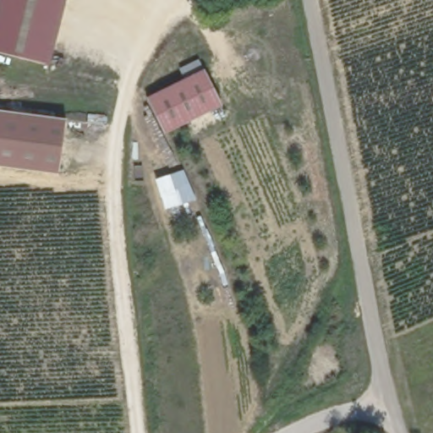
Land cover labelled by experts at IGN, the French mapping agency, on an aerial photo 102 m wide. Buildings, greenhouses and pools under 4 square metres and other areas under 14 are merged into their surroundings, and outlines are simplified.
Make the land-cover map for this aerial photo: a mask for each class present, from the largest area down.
<instances>
[{"label":"vineyard","instance_id":"1","mask_svg":"<svg viewBox=\"0 0 433 433\"><path fill-rule=\"evenodd\" d=\"M325 30L326 51L330 56L333 83L342 117L348 161L352 167L355 195L359 201L375 304L379 311L382 338L386 345L391 338L404 337L433 323V0H318ZM0 433H132L120 354L105 201H100L95 189L54 191L52 188H34L29 184L0 183Z\"/></svg>","mask_w":433,"mask_h":433},{"label":"herbaceous vegetation","instance_id":"2","mask_svg":"<svg viewBox=\"0 0 433 433\"><path fill-rule=\"evenodd\" d=\"M230 24L225 25L222 30L227 36L228 44L244 61V66L235 71V78L216 79L213 76V52L203 34H196L193 30L195 24L184 17L174 25L171 32L162 37L156 51L142 69L135 88V110L127 115L123 132V233L129 266L130 293L134 306L135 338L139 348L144 433H206L201 406L200 365L196 357V340L191 318L220 316L222 325H233L237 328L242 348H249V332L238 315L232 282L255 281L254 272L247 266L249 249L237 230L232 238H225V233H216L213 237L216 254L222 260L223 269L228 277V284H222L218 271L213 266L206 240L200 233L189 242H176L171 227V216L178 213L179 206L164 208L157 191V179L183 171L196 196L195 201H191L186 210V213L198 210L201 216L205 220L208 216L206 184H218L215 176L210 173V164L205 156L195 162L188 154H176V151L169 149L164 139V135L167 134L166 130L162 129L159 117L152 118L149 112L151 95L193 74L205 71L213 90L220 98L222 107H218V113H205L189 125L193 135L200 132L208 123L227 117L228 113L235 115V123L245 125H249V120H254L259 115H266L269 122L266 137L269 142L279 137L277 125H284V130L293 134L294 127L301 125L304 110L299 88L306 83L310 88L316 132L320 137L321 161L325 169L328 195L332 200L338 244L348 238L342 195L338 188L332 145L326 129L325 110L316 76L315 58L311 51L303 0H281L279 7L271 10H262L254 5L235 8L230 12ZM56 64H37L34 59L19 58L12 54L0 58V112L17 110L66 117L68 120L64 122L63 140L74 137L85 142H96L101 135L107 134L103 129H88V115L113 117L117 105L118 74L110 66H98L88 59L74 58L71 54L58 51L54 52Z\"/></svg>","mask_w":433,"mask_h":433},{"label":"agricultural land","instance_id":"3","mask_svg":"<svg viewBox=\"0 0 433 433\"><path fill-rule=\"evenodd\" d=\"M304 110L301 125L294 127L293 134L284 130V125H277L279 137L269 142L266 137L269 122L266 115H259L254 120H249V125H245L235 123V115L228 113L227 117L208 123L200 132L193 135V139L200 142L205 156L210 164V173L215 176L218 184L228 193L237 230L249 249L247 266L254 272L255 281L259 282L266 296L267 308L271 311L279 343L289 345L301 340L304 328L315 313L321 289L325 288L326 282L332 279L337 271L338 244L332 200L328 195L325 169L321 161L320 137L316 132L310 88L306 83L299 88ZM291 144H298L303 154V162L299 167H293L289 162L288 149ZM196 340V357L200 365L201 406L206 433H249L254 425L255 416L259 414V391L250 369L249 348H242L237 328L233 325H222L220 316L191 318ZM392 382L396 387L397 401L406 425L404 433H433V323L404 337L391 338L386 345Z\"/></svg>","mask_w":433,"mask_h":433},{"label":"pervious surface","instance_id":"4","mask_svg":"<svg viewBox=\"0 0 433 433\"><path fill-rule=\"evenodd\" d=\"M184 17L195 24L193 30L196 34H203L213 52V76L216 79L235 78V71L244 66V61L228 44L227 36L222 30L206 29L195 10L191 8V0H66L63 19L54 44L58 51L71 54L74 58L88 59L98 66H110L118 74L117 105L113 117L110 132L107 134L101 135L96 142H85L74 137L63 140L61 162L56 173L19 167L0 169V183L29 184L34 188H52L54 191L95 189L100 201H105L120 354L132 433H144L139 348L135 338L134 306L130 293L129 266L123 233V132L127 115L135 110V88L142 69L156 51L162 37L171 32L174 25ZM338 370L335 350L328 345H321L315 348L311 355L310 375L316 384L323 382L328 372ZM386 406L384 397L375 396L369 387L357 401L321 409L318 413L293 421L289 425H276V433H325L330 426V419H345L348 414L354 419H370L375 425L382 426L384 418L381 411Z\"/></svg>","mask_w":433,"mask_h":433},{"label":"building","instance_id":"5","mask_svg":"<svg viewBox=\"0 0 433 433\"><path fill-rule=\"evenodd\" d=\"M66 0H0V58L12 54L19 58L34 59L37 64H56L54 52L58 51L54 44L63 19ZM149 112L152 118L159 117L162 129L166 130L167 134L178 130L181 125H189L205 113H218V107H222L220 98L213 90L205 71L193 74L151 95ZM68 120L66 117L17 110L0 112V169L19 167L56 173L61 162L63 140L64 122ZM157 191L164 208L179 206L186 210L191 201H195L196 196L183 171L157 179Z\"/></svg>","mask_w":433,"mask_h":433},{"label":"brushwood","instance_id":"6","mask_svg":"<svg viewBox=\"0 0 433 433\"><path fill-rule=\"evenodd\" d=\"M359 301V294L348 238L338 244L337 271L332 279L326 282L325 288L321 289L315 313L304 328L301 340L289 345L279 343V347L269 355V382L259 391V414L255 416L254 425L249 433H276V425H289L293 421L318 413L321 409L357 401L369 387L372 365L365 340L364 323L362 318L355 316V303ZM321 345H328L335 350L338 370L328 372L323 382L316 384L310 375L311 355L315 348Z\"/></svg>","mask_w":433,"mask_h":433},{"label":"impervious surface","instance_id":"7","mask_svg":"<svg viewBox=\"0 0 433 433\"><path fill-rule=\"evenodd\" d=\"M311 51L315 58L316 76L325 110L326 129L332 145L338 188L342 195L348 238L359 294V301L355 303V316L362 318L364 323L365 340L372 365L369 387L375 396L384 397L386 406L381 411L384 418L382 426L386 433H404L406 425L397 401L396 387L392 382L386 345L382 338L379 311L375 304L359 201L355 195L352 167L348 161L342 117L333 83L330 56L326 51L325 30L318 0H303ZM113 117L88 115V129H103L107 134L110 132ZM200 233L206 240L213 266L218 271L222 284H228V277L223 269L222 260L216 254L213 237L206 228L205 220L201 216L198 218Z\"/></svg>","mask_w":433,"mask_h":433},{"label":"deciduous trees","instance_id":"8","mask_svg":"<svg viewBox=\"0 0 433 433\"><path fill-rule=\"evenodd\" d=\"M281 0H191V8L195 10L206 29L222 30L225 25L230 24V12L235 8L254 5L262 10H271L279 7ZM164 139L169 149L176 151V154H188L195 162L205 156L200 142L193 139V135L189 125H181L178 130L167 134L164 135ZM289 162L293 167H299L303 162V154L298 144H291L288 149ZM208 216L205 220L206 228L213 237L216 233H225V238H232L237 230L228 193L218 184H206ZM201 216L198 210L186 213V210L179 206L178 213L171 216V227L176 242H189L200 233L198 218ZM238 315L249 332V348L250 369L259 391L269 382V355L279 347V343L271 311L267 308L266 296L259 282L255 281L232 282ZM325 433H386L382 426L375 425L370 419H354L348 414L345 419H330V426Z\"/></svg>","mask_w":433,"mask_h":433}]
</instances>
